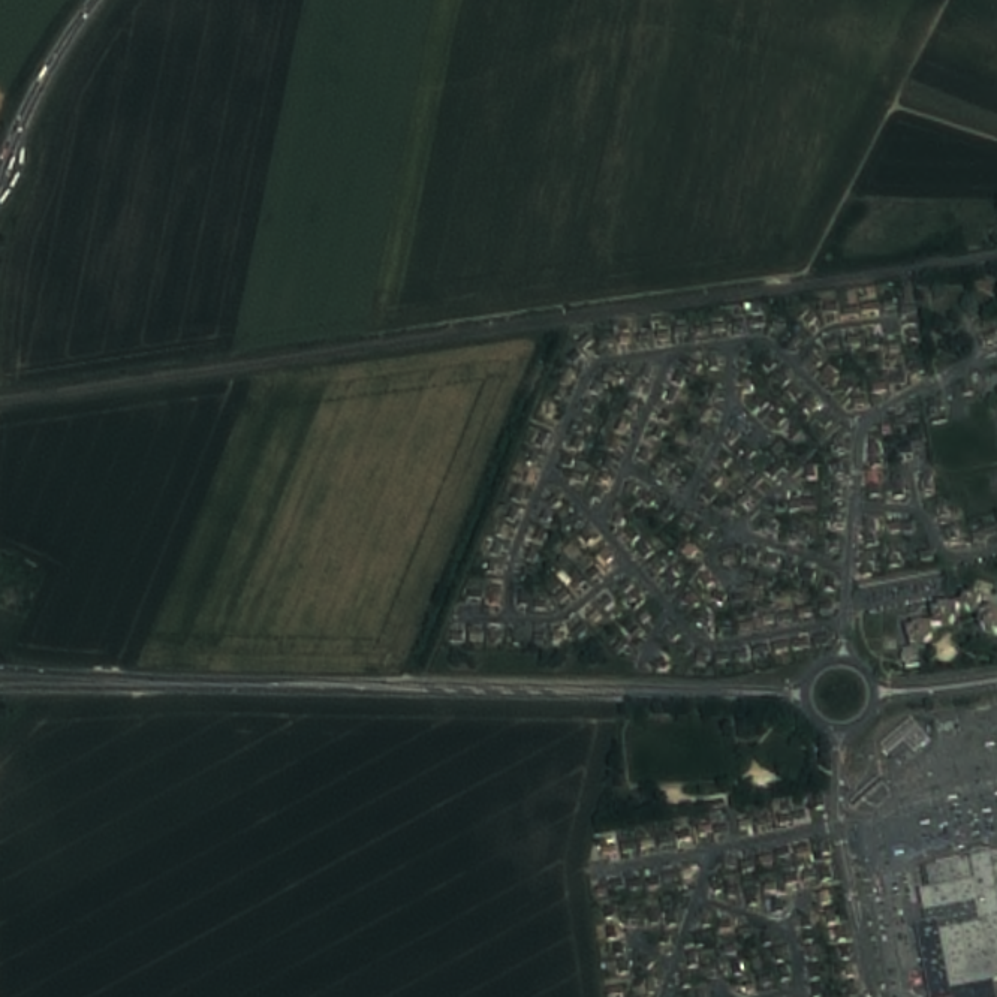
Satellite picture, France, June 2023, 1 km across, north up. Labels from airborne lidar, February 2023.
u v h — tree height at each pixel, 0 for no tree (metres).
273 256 0
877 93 0
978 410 0
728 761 0
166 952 0
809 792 14
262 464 0
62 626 0
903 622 0
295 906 0
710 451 0
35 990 0
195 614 0
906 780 0
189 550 0
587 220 0
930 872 0
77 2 0
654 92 0
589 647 13
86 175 0
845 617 0
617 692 0
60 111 0
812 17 0
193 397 0
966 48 0
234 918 0
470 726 0
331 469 0
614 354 0
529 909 0
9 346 0
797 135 0
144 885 0
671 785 0
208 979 0
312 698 0
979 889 0
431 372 0
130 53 0
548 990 0
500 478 8
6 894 0
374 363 0
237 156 0
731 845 0
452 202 0
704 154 0
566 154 0
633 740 0
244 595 0
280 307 0
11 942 0
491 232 0
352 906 0
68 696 0
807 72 0
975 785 0
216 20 0
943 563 13
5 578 6
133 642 0
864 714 0
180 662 0
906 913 0
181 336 0
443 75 0
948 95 0
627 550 0
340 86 0
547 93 0
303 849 0
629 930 0
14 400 0
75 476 0
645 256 0
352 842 0
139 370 0
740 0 0
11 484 0
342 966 0
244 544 0
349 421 0
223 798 0
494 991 0
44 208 0
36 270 0
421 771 0
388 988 0
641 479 0
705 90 0
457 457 0
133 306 0
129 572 0
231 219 0
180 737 0
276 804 0
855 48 0
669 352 0
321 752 0
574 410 0
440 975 0
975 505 0
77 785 0
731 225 0
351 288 0
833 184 0
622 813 12
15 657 0
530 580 11
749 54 0
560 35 0
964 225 0
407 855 0
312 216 0
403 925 0
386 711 0
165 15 0
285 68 0
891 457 6
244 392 0
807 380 0
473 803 0
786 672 0
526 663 0
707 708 13
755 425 0
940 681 0
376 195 0
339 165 0
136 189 0
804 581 8
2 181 0
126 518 0
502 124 0
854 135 0
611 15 0
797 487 0
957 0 0
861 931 0
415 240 0
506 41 0
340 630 0
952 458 0
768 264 0
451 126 0
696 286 0
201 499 0
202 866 0
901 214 0
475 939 0
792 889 0
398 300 0
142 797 0
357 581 0
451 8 0
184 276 0
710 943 7
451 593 11
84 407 0
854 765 0
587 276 0
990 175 0
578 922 0
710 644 0
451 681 0
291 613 0
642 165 0
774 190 0
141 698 0
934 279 16
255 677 0
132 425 0
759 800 12
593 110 0
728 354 0
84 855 0
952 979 0
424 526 0
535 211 0
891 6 0
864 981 0
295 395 0
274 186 0
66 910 0
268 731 0
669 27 0
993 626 0
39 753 0
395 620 0
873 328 0
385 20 0
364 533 0
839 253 0
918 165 0
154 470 0
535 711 0
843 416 0
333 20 0
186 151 0
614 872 0
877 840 0
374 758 0
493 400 0
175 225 0
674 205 0
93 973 0
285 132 0
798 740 13
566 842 0
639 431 0
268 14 0
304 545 0
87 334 0
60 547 0
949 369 0
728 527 0
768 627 0
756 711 17
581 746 0
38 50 0
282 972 0
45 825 0
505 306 0
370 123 0
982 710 0
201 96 0
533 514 0
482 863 0
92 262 0
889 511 0
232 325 0
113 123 0
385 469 0
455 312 0
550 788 0
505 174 0
